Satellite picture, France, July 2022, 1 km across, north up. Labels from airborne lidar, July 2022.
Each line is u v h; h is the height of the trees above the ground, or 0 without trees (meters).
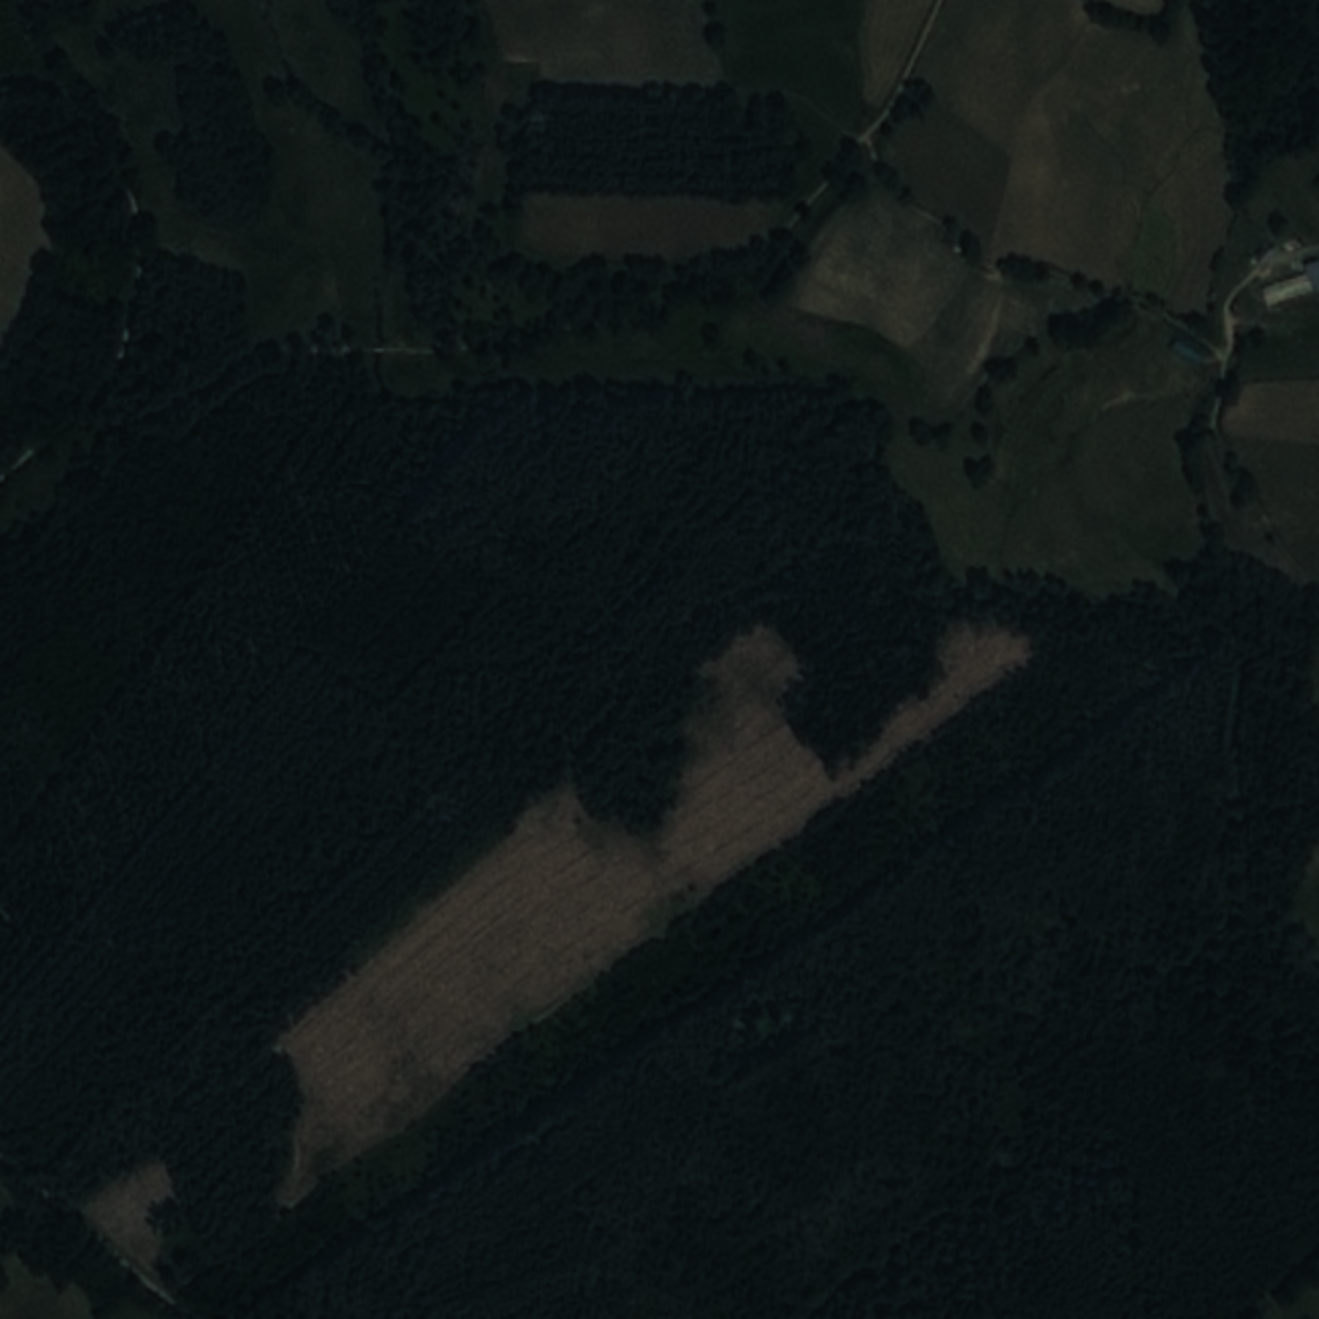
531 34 0
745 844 0
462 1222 26
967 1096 9
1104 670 10
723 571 17
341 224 0
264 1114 17
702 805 0
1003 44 0
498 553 20
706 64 0
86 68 0
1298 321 0
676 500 16
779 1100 18
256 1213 16
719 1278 21
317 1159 0
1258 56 25
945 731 7
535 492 22
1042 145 0
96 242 23
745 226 0
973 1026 7
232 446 10
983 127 0
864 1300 16
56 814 9
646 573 14
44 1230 22
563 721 17
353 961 28
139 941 26
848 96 0
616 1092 29
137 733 18
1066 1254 10
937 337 0
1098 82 0
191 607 13
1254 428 0
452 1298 23
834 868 9
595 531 14
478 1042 0
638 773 10
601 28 0
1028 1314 8
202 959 17
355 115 0
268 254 0
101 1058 14
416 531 20
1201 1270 9
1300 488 0
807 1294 17
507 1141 24
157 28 27
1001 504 0
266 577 16
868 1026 19
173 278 18
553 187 19
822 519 16
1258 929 14
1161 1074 7
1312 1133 8
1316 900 0
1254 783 19
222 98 23
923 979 8
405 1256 29
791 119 20
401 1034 0
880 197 0
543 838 0
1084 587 0
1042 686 6
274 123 0
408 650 11
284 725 24
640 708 14
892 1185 20
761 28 0
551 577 17
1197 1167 8
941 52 0
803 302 0
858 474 13
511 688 19
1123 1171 21
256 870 19
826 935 17
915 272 0
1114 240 0
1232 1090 9
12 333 14
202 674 18
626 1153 27
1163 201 0
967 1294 7
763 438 11
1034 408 0
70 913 19
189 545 12
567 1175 26
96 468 10
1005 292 0
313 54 0
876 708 21
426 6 15
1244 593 16
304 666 20
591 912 0
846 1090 18
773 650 0
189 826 19
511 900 0
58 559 9
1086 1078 7
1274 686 18
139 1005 12
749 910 13
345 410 16
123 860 23
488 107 0
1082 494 0
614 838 0
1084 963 14
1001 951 12
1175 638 12
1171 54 0
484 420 22
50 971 23
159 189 0
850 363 0
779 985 28
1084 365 0
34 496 0
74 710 6
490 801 23
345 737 24
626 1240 20
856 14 0
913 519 12
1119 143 0
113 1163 25
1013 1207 9
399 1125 0
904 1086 11
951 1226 10
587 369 0
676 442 16
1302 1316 0
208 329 20
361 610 9
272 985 19
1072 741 7
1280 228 20
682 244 0
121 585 6
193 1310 5
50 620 9
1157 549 0
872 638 23
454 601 9
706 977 7
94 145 24
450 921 0
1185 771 23
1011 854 24
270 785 24
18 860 11
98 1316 13
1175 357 0
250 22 0
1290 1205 9
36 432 26
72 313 21
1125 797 21
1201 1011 23
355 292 0
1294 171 0
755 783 0
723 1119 17
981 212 0
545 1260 24
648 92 11
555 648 13
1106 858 25
